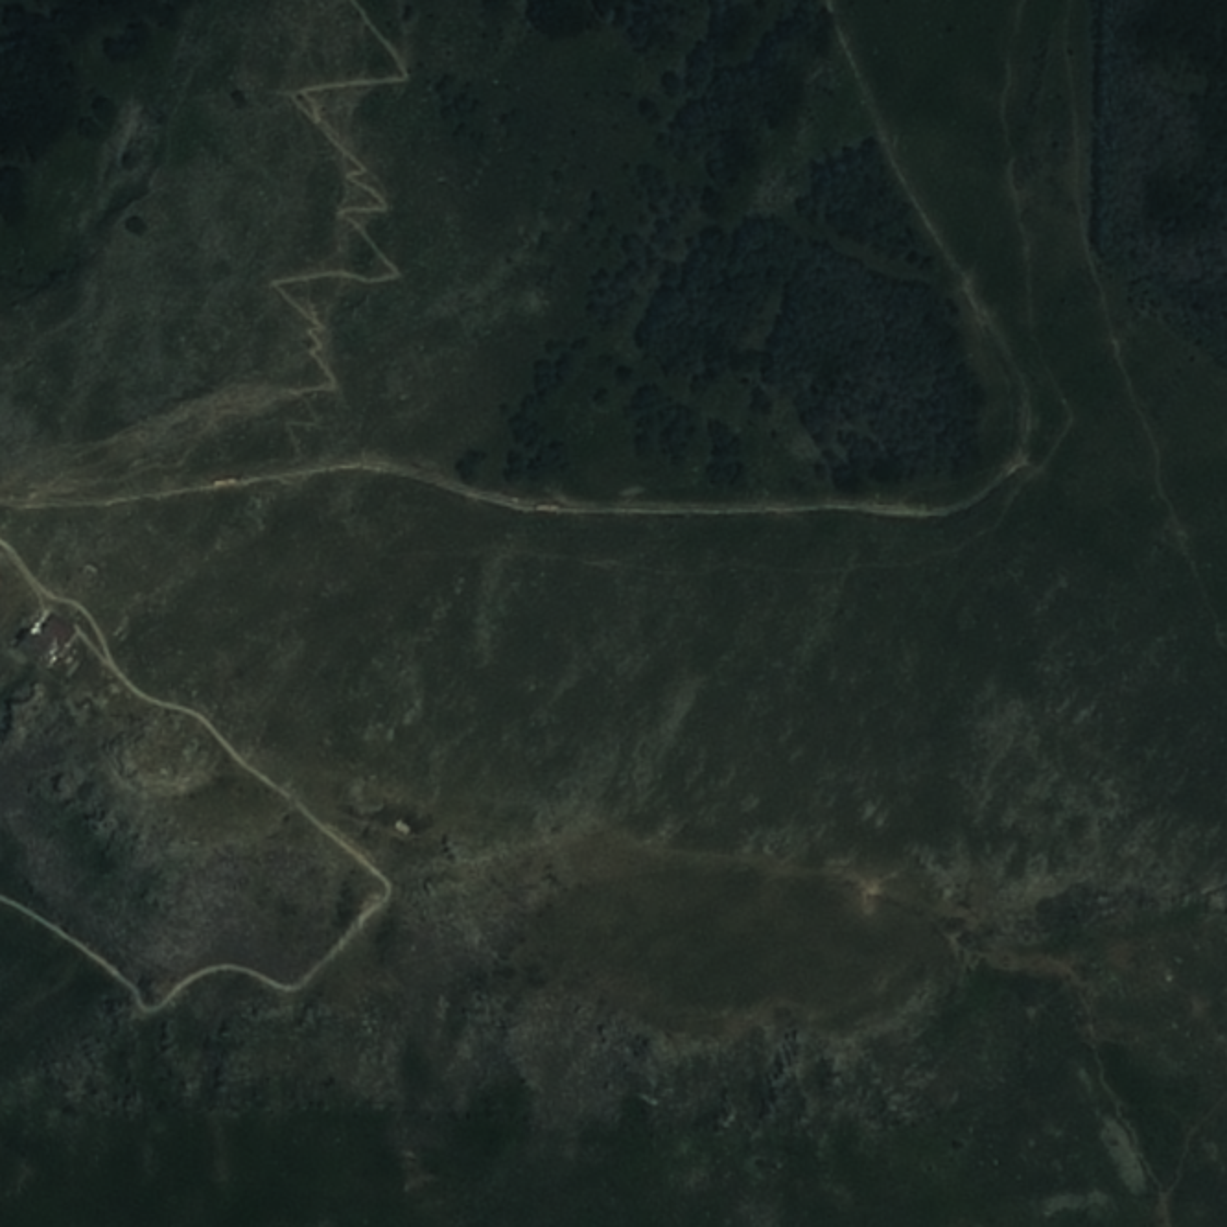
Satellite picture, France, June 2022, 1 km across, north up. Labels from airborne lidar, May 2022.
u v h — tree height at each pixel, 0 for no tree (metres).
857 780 0
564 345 8
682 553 0
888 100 0
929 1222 0
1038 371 0
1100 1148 0
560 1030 0
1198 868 0
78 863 0
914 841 0
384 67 0
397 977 0
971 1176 0
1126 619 0
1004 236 0
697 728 0
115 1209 0
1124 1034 0
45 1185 0
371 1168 0
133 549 0
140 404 0
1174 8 21
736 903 0
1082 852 0
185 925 0
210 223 0
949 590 0
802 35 19
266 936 0
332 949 0
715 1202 0
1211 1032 0
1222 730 0
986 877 0
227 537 0
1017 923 0
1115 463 0
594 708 0
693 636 0
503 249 0
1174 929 0
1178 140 19
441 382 0
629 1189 0
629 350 0
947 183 0
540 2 19
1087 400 0
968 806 0
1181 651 0
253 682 0
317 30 0
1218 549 0
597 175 0
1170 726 0
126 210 0
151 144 0
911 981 0
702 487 0
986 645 0
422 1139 0
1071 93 0
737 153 28
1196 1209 0
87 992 0
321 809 0
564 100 0
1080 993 0
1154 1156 0
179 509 0
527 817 0
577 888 0
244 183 0
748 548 0
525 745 0
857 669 0
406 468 0
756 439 0
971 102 0
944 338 24
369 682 0
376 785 0
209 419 0
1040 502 0
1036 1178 0
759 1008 0
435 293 0
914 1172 0
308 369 0
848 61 0
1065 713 0
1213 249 20
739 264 25
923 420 25
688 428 11
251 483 0
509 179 0
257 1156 0
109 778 0
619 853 0
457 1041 0
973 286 0
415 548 0
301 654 0
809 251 23
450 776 0
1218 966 0
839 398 20
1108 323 0
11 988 0
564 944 0
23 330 0
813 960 0
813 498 0
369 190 0
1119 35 24
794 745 0
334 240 0
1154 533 0
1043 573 0
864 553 0
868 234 20
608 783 0
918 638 0
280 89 0
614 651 0
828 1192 0
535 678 0
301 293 0
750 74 24
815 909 0
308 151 0
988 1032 0
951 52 0
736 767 0
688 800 0
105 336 0
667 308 24
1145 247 25
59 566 0
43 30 25
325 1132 0
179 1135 0
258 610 0
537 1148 0
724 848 0
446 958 0
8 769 0
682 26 14
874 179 25
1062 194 0
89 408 0
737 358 26
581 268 0
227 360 0
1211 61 18
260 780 0
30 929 0
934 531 0
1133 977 0
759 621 0
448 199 0
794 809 0
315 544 0
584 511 0
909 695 0
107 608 0
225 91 0
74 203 0
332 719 0
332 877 0
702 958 0
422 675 0
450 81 8
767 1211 0
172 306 0
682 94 15
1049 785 0
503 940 0
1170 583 0
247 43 0
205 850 0
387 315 0
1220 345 23
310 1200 0
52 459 0
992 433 0
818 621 0
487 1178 0
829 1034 0
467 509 0
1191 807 0
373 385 0
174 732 0
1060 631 0
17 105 21
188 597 0
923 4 0
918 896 0
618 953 0
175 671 0
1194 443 0
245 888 0
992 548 0
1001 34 0
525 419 13
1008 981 0
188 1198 0
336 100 0
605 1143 0
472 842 0
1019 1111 0
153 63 0
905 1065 0
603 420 0
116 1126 0
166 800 0
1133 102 26
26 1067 0
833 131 0
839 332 26
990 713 0
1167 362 0
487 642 0
